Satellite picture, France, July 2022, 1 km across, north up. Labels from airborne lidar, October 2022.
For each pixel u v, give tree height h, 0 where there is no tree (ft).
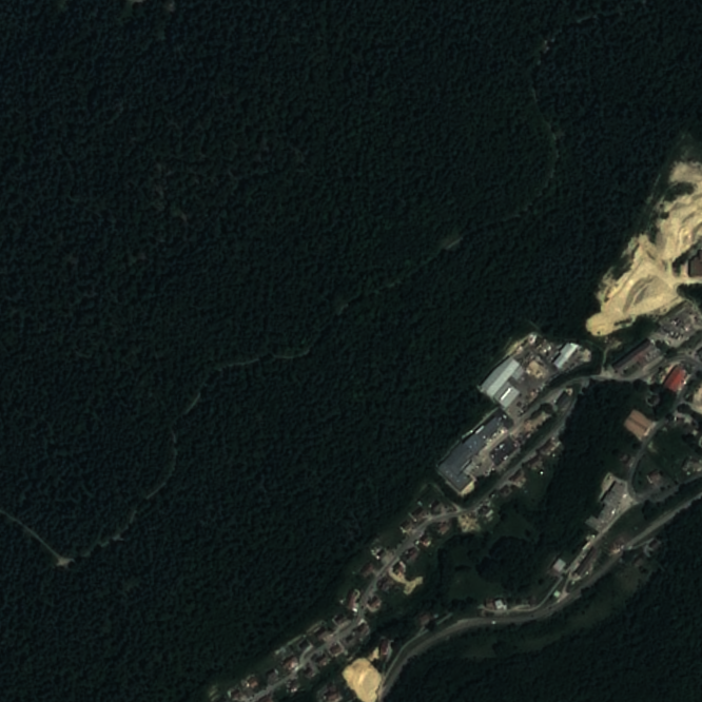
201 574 76
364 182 77
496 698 60
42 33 33
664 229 0
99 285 25
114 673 55
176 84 93
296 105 59
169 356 54
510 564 66
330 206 61
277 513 72
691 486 39
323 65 70
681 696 56
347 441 64
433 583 24
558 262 73
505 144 36
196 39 24
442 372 23
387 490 53
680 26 29
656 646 64
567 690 77
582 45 71
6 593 63
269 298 69
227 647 56
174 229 57
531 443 27
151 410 35
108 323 56
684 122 35
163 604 23
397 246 59
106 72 87
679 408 24
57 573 74
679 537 54
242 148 73
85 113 79
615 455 32
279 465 81
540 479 0
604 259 79
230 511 74
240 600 64
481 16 91
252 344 63
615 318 0
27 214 79
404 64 60
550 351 0
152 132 53
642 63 37
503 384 0
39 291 56
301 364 53
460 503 29
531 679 75
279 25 98
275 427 56
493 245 84
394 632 66
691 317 0
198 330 56
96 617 94
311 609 34
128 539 61
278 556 71
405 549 0
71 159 102
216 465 32
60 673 78
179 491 22
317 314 40
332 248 35
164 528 62
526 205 60
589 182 32
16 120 100
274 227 59
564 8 85
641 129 116
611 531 0
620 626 62
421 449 44
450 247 0
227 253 50
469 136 33
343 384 81
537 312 49
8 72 84
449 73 67
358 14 39
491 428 0
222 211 83
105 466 79
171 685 44
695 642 61
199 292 57
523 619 0
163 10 21
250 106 85
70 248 26
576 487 36
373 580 0
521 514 23
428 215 56
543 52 0
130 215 83
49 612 68
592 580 0
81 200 94
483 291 65
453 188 60
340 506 64
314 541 86
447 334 41
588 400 64
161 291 57
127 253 63
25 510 70
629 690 46
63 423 64
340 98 55
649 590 56
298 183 58
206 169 83
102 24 87
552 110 85
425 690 58
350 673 0
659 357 0
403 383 75
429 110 58
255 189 77
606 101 66
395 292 48
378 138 64
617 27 84
